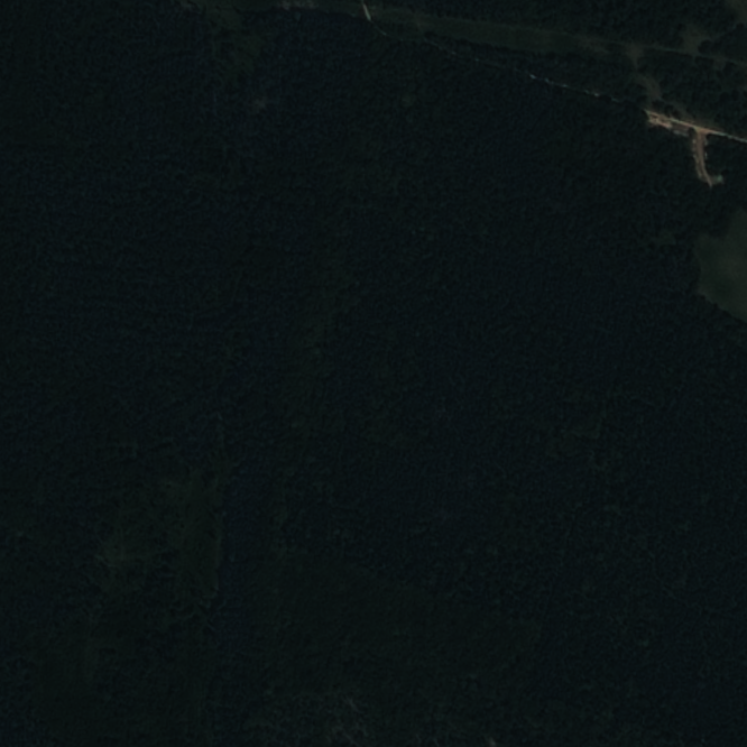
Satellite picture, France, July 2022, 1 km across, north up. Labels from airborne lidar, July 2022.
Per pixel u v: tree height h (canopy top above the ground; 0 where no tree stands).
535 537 14
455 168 18
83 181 21
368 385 21
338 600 17
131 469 15
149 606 23
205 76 11
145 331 21
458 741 17
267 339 19
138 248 15
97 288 15
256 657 14
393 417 21
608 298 18
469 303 19
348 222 16
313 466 16
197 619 13
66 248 20
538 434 18
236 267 17
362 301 15
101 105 17
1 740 17
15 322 17
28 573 14
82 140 19
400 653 15
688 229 16
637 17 13
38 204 18
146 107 23
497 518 16
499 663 21
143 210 24
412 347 14
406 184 16
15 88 20
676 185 13
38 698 14
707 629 10
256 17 17
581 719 18
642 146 18
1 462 16
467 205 14
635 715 13
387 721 16
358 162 16
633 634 6
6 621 15
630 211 13
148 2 13
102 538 17
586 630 9
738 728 9
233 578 20
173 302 20
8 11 19
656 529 10
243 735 15
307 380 15
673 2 14
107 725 8
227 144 11
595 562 7
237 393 15
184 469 17
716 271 0
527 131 17
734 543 12
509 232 18
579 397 10
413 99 12
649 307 16
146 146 20
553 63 15
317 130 23
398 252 14
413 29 7
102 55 18
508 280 18
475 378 17
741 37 11
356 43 22
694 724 7
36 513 16
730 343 20
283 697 15
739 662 8
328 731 15
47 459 18
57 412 20
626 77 16
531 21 10
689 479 11
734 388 13
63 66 17
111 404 19
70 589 12
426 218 17
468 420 16
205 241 19
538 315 17
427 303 16
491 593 13
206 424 25
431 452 18
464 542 14
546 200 19
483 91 20
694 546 12
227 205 17
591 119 12
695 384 17
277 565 16
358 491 17
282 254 15
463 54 15
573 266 18
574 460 18
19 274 14
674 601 13
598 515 10
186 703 7
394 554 10
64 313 19
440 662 17
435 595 17
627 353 14
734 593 7
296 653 22
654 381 12
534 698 26
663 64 6
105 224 16
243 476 26
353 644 19
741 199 15
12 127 18
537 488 17
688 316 14
